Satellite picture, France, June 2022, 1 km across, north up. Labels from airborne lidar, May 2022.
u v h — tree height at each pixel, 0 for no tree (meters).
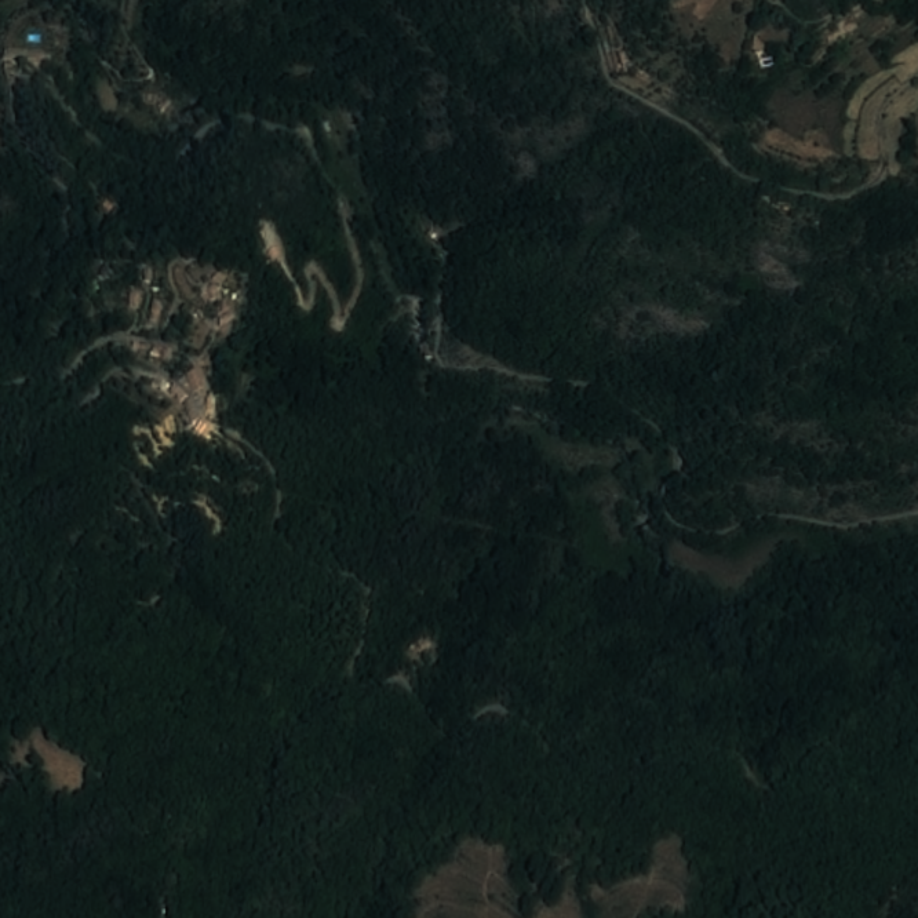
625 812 24
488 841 9
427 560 15
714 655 25
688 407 16
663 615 14
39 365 15
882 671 27
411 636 19
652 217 10
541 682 20
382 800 12
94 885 14
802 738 17
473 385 16
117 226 15
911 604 17
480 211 15
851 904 12
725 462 14
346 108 12
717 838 18
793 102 0
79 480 16
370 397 24
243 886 20
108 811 9
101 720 7
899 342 12
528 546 13
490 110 7
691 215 10
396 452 23
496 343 15
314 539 14
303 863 11
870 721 22
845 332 13
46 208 18
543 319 21
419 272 15
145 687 21
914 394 19
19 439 11
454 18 9
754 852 13
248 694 18
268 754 23
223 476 15
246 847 26
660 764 15
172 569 7
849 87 7
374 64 14
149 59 11
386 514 15
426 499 9
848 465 13
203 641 27
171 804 9
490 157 11
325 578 22
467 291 21
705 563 0
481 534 19
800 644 14
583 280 7
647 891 0
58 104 15
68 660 13
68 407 16
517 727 12
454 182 11
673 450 9
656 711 21
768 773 11
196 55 26
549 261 10
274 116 15
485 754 13
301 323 21
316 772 13
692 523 12
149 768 15
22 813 18
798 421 8
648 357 18
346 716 13
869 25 0
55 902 16
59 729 17
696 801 14
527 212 18
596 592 19
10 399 7
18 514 8
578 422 25
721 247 9
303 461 13
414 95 10
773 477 12
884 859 17
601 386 18
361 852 17
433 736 21
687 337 8
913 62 0
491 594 22
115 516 15
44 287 9
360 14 19
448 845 11
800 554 17
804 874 22
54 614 12
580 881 9
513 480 12
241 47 19
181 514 18
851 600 20
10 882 13
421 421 19
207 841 12
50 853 15
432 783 18
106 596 17
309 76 8
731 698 18
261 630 22
